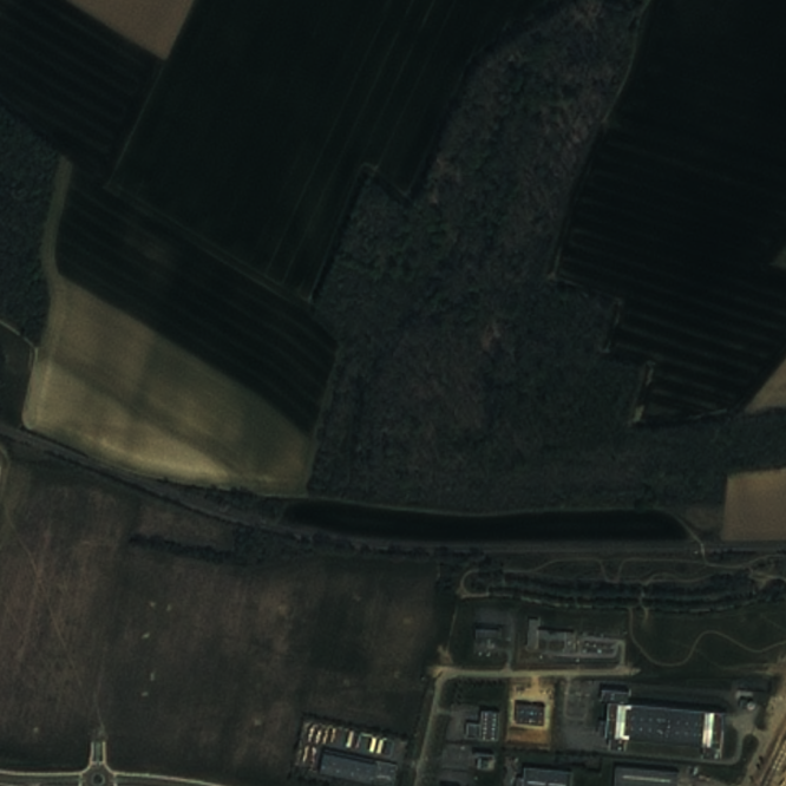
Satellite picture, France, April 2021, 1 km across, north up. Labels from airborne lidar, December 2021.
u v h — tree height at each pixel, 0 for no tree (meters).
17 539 0
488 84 22
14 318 13
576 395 19
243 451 0
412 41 0
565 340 21
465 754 0
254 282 0
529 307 24
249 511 18
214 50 0
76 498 0
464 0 0
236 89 0
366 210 18
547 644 0
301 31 0
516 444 22
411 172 0
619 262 0
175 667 0
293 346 0
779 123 0
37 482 0
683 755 0
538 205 24
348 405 21
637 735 0
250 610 0
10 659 0
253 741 0
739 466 15
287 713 0
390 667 0
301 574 0
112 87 0
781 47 0
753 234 0
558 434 16
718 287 0
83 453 7
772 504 0
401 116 0
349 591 0
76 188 0
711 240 0
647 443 16
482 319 22
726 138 0
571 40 24
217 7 0
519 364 19
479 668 0
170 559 0
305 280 0
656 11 0
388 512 0
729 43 0
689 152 0
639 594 8
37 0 0
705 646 0
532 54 25
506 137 21
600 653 0
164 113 0
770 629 0
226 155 0
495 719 0
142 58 0
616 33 21
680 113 0
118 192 0
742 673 0
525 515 0
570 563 0
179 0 0
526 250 18
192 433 0
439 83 0
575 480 14
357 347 16
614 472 14
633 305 0
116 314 0
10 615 0
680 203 0
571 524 0
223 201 0
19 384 0
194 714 0
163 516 0
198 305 0
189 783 0
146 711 0
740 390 0
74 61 0
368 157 0
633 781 0
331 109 0
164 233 0
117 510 0
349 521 0
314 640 0
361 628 0
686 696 0
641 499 19
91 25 0
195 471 0
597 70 24
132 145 0
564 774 0
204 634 0
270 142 0
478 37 0
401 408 20
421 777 0
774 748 0
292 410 0
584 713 0
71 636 0
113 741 0
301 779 7
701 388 0
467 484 22
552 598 6
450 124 18
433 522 0
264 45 0
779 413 15
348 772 0
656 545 0
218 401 0
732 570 0
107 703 0
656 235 0
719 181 0
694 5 0
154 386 0
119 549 0
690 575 0
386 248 19
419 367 21
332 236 0
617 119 0
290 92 0
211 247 0
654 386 0
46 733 0
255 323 0
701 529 0
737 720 0
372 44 0
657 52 0
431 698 0
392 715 0
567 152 22
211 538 0
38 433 6
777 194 0
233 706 0
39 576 0
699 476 18
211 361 0
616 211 0
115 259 0
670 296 0
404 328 22
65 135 0
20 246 21
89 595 0
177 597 0
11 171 20
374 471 15
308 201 0
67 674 0
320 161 0
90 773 0
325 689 0
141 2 0
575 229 0
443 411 24
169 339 0
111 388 0
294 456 0
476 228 16
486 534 0
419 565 0
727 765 0
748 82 0
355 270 6
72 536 0
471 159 22
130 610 0
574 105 20
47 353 0
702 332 0
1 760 0
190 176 0
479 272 24
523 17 0
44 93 0
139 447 0
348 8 0
